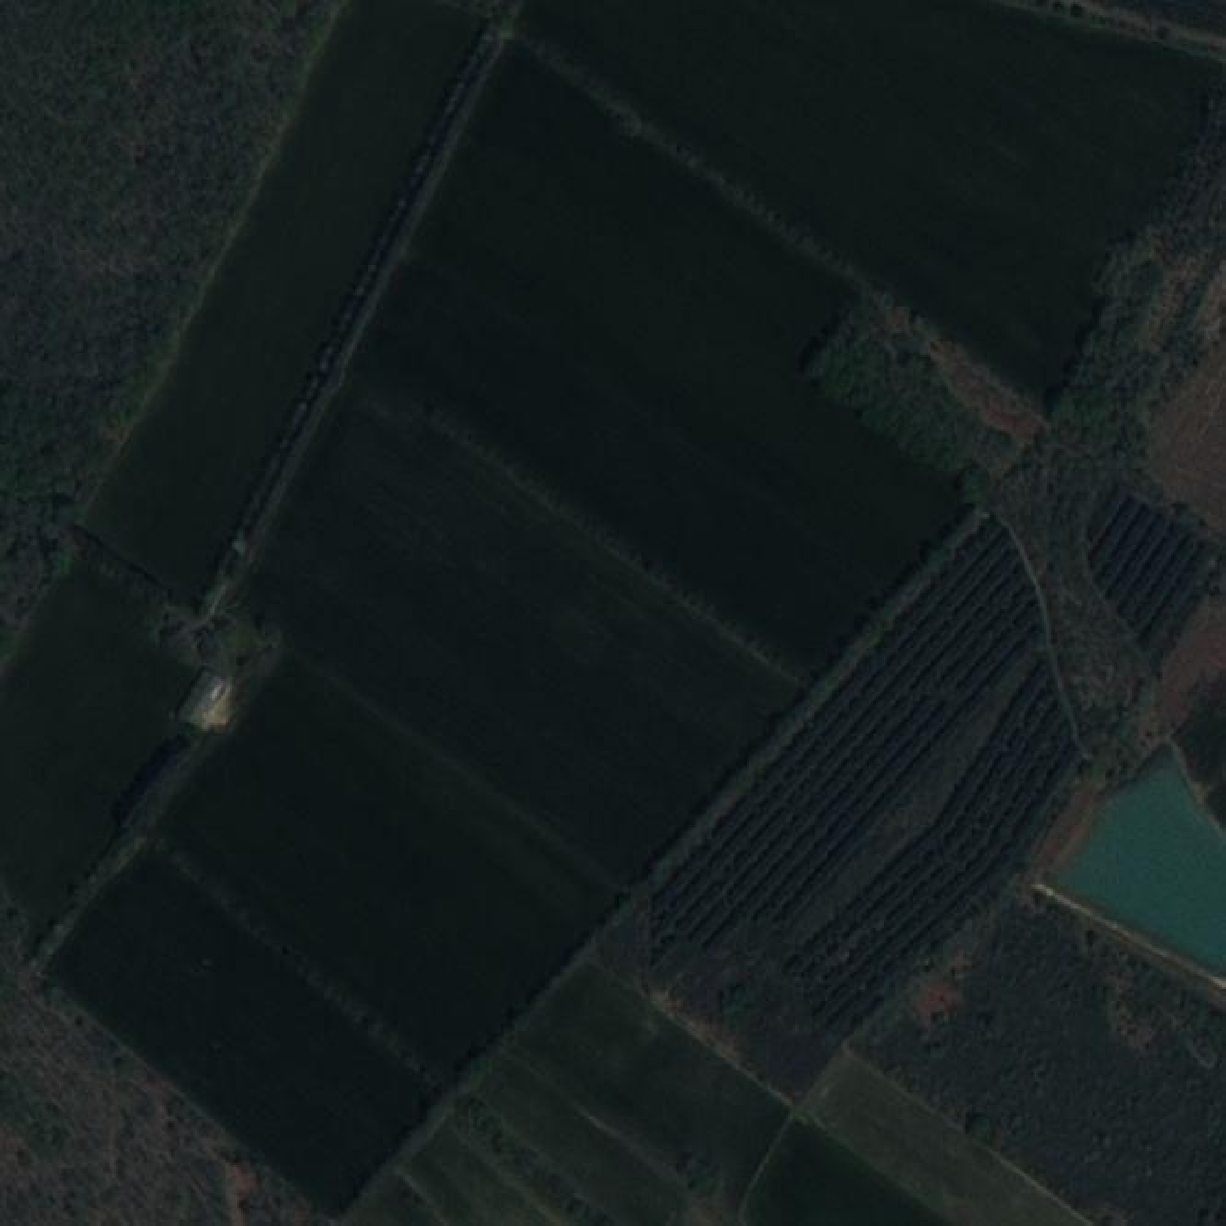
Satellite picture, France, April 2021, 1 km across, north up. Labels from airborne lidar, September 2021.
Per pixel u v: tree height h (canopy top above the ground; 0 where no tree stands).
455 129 20
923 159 0
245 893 0
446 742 0
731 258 0
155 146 18
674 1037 0
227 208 19
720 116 0
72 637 0
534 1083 0
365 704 0
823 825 12
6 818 0
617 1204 0
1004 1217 0
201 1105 0
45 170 20
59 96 21
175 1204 17
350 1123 0
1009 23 0
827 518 0
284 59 20
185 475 0
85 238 19
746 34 0
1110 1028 7
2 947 15
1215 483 0
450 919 0
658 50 0
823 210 0
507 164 0
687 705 0
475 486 0
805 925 11
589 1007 0
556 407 0
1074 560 10
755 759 15
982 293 0
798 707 12
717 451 0
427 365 0
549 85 0
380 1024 11
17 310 17
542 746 0
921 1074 8
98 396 19
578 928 0
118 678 0
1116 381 17
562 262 0
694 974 0
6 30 24
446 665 0
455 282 0
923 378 17
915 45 0
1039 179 0
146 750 0
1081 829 0
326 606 0
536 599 0
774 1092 0
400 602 0
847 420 0
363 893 0
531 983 0
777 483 0
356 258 0
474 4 16
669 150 10
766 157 0
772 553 0
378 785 0
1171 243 8
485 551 0
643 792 0
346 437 0
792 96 0
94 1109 17
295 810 0
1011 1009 6
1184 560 12
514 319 0
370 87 0
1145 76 0
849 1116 0
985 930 13
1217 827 0
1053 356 0
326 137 0
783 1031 0
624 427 0
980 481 21
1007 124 0
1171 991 11
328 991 15
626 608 0
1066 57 0
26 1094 19
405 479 0
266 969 0
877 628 15
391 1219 0
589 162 0
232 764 0
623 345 0
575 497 0
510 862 0
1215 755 0
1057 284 0
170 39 18
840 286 0
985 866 10
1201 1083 8
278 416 0
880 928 8
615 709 0
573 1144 0
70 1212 15
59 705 0
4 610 16
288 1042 0
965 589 12
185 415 0
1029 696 12
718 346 0
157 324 16
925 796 12
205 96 18
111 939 0
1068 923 14
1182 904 0
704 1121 0
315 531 0
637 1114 0
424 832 0
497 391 0
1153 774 0
